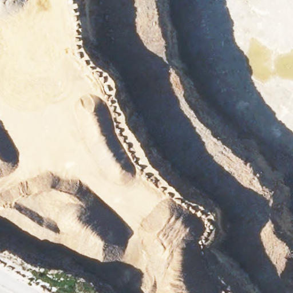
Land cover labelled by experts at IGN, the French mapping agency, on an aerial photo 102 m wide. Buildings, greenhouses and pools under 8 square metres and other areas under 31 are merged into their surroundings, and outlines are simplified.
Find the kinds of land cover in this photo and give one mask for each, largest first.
<instances>
[{"label":"pervious surface","instance_id":"1","mask_svg":"<svg viewBox=\"0 0 293 293\"><path fill-rule=\"evenodd\" d=\"M43 269H49V278L60 274L61 271L74 278H84L86 283L94 284L96 293H293V0H0V293H55L56 287L32 275L33 270L43 272Z\"/></svg>","mask_w":293,"mask_h":293},{"label":"herbaceous vegetation","instance_id":"2","mask_svg":"<svg viewBox=\"0 0 293 293\"><path fill-rule=\"evenodd\" d=\"M49 269H43V272L33 270L32 275L56 287L55 293H96L94 284L86 283L84 278H74L61 271L60 274L49 278Z\"/></svg>","mask_w":293,"mask_h":293}]
</instances>
